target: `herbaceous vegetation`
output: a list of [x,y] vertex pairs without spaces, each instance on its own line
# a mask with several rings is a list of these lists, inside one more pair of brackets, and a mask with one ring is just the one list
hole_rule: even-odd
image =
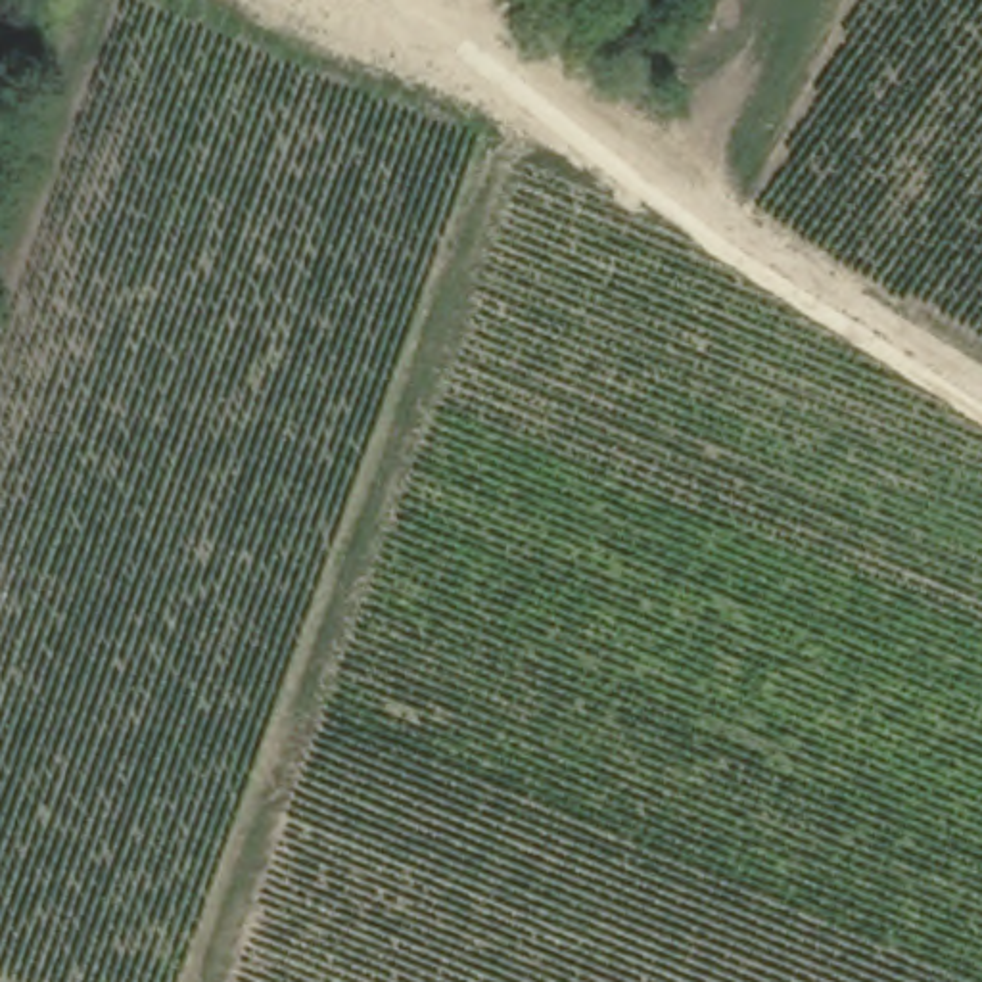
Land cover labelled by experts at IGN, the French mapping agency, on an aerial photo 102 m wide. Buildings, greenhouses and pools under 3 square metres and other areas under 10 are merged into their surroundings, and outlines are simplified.
[[330,84],[353,88],[368,81],[380,107],[418,111],[445,127],[460,123],[472,107],[426,84],[407,84],[391,73],[372,73],[353,58],[315,50],[295,35],[261,27],[234,0],[146,0],[146,8],[161,4],[184,27],[207,23],[242,42],[246,50],[265,50],[269,61],[315,69]]
[[825,35],[825,8],[832,0],[717,0],[706,27],[690,31],[687,46],[675,58],[675,81],[690,96],[698,84],[717,77],[737,54],[760,65],[760,81],[748,92],[729,134],[729,180],[737,192],[748,180],[756,180],[775,142],[779,119],[802,84],[809,46]]
[[46,104],[42,134],[50,153],[61,142],[69,81],[77,77],[92,84],[100,42],[123,19],[119,0],[84,0],[77,15],[54,15],[42,27],[42,38],[54,46],[54,61],[35,77],[35,84]]

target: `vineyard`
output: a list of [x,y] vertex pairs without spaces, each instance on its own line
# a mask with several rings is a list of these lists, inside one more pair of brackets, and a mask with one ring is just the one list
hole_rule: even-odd
[[859,272],[863,292],[878,299],[886,311],[932,330],[936,338],[944,338],[947,345],[982,364],[982,0],[832,0],[825,8],[825,35],[809,46],[802,84],[779,119],[775,142],[756,180],[748,180],[737,192],[744,203],[756,203],[775,222],[790,226],[798,238],[813,242],[832,261]]
[[92,84],[77,77],[69,81],[61,142],[50,153],[50,169],[38,173],[19,207],[19,234],[8,246],[0,242],[0,982],[982,982],[982,426],[947,407],[944,399],[936,399],[932,391],[917,387],[913,380],[905,380],[901,372],[878,364],[840,334],[806,318],[790,303],[775,299],[748,276],[733,272],[717,257],[710,257],[683,226],[664,219],[660,211],[621,207],[614,199],[614,188],[602,184],[595,169],[572,165],[564,153],[537,146],[526,134],[499,130],[491,115],[472,107],[460,123],[445,127],[418,111],[380,107],[368,81],[353,88],[330,84],[315,69],[269,61],[265,50],[246,50],[242,42],[207,23],[184,27],[161,4],[146,8],[146,0],[119,0],[123,19],[100,42]]

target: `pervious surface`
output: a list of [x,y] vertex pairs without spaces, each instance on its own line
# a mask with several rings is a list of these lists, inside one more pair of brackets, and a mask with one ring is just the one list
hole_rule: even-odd
[[621,207],[660,211],[664,219],[683,226],[710,257],[717,257],[733,272],[748,276],[775,299],[790,303],[806,318],[840,334],[878,364],[901,372],[905,380],[913,380],[917,387],[932,391],[936,399],[944,399],[947,407],[982,426],[982,364],[947,345],[944,338],[936,338],[932,330],[886,311],[878,299],[863,292],[859,272],[832,261],[813,242],[798,238],[790,226],[775,222],[756,203],[744,203],[737,192],[729,180],[729,134],[748,92],[760,81],[760,65],[737,54],[717,77],[698,84],[690,96],[687,119],[656,123],[629,104],[598,100],[591,81],[564,77],[560,58],[522,61],[510,42],[506,8],[499,0],[234,0],[261,27],[295,35],[315,50],[353,58],[372,73],[391,73],[407,84],[426,84],[472,107],[491,115],[499,130],[526,134],[537,146],[564,153],[572,165],[595,169],[602,184],[614,188],[614,199]]

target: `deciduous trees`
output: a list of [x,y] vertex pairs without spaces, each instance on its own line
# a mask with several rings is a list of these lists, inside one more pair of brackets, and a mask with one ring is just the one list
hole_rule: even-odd
[[675,58],[687,46],[690,31],[706,27],[717,0],[499,0],[506,8],[510,42],[522,61],[560,58],[564,77],[591,81],[598,100],[629,104],[656,123],[687,119],[690,96],[675,81]]
[[0,0],[0,242],[8,246],[19,234],[19,207],[38,173],[50,169],[50,153],[42,134],[46,104],[35,84],[35,77],[54,61],[54,46],[42,38],[42,27],[54,15],[77,15],[84,0]]

